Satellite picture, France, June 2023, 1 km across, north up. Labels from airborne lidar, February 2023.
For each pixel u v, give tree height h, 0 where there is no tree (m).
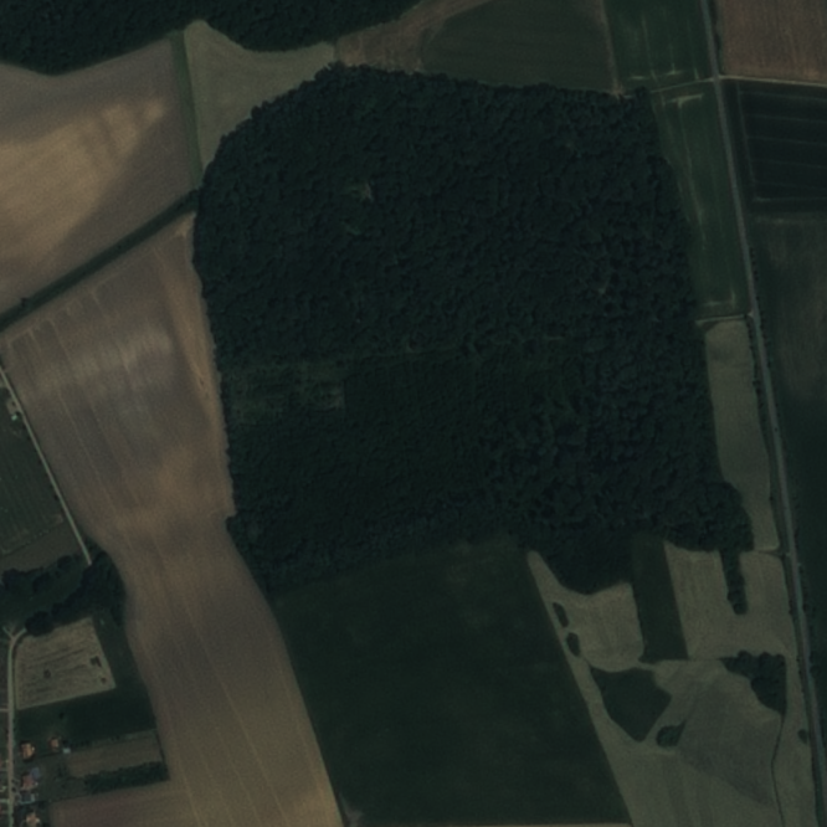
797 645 0
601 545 23
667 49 0
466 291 21
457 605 0
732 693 0
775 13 0
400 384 8
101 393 0
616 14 0
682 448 33
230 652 0
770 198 0
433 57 0
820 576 0
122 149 0
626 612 0
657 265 29
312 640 0
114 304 0
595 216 29
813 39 0
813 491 0
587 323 24
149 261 0
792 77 0
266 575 10
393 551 19
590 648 0
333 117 30
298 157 29
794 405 0
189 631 0
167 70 0
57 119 0
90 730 0
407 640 0
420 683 0
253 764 0
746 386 0
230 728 0
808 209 0
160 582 0
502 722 0
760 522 0
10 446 0
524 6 0
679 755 0
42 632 12
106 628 0
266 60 0
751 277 0
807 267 0
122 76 0
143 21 27
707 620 0
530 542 18
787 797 0
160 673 0
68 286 0
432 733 0
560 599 0
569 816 0
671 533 12
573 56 0
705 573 0
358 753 0
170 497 0
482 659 0
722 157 0
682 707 0
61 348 0
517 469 28
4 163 0
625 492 29
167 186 0
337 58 0
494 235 27
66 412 0
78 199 0
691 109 0
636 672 0
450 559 0
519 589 0
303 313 26
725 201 0
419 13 0
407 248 24
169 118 0
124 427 0
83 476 0
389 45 0
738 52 0
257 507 10
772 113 0
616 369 18
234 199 27
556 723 0
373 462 15
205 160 0
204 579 0
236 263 28
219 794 0
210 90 0
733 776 0
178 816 0
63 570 13
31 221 0
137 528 0
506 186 29
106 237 0
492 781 0
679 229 26
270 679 0
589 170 30
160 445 0
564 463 37
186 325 0
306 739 0
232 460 17
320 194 31
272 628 0
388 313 23
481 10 0
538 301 21
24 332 0
